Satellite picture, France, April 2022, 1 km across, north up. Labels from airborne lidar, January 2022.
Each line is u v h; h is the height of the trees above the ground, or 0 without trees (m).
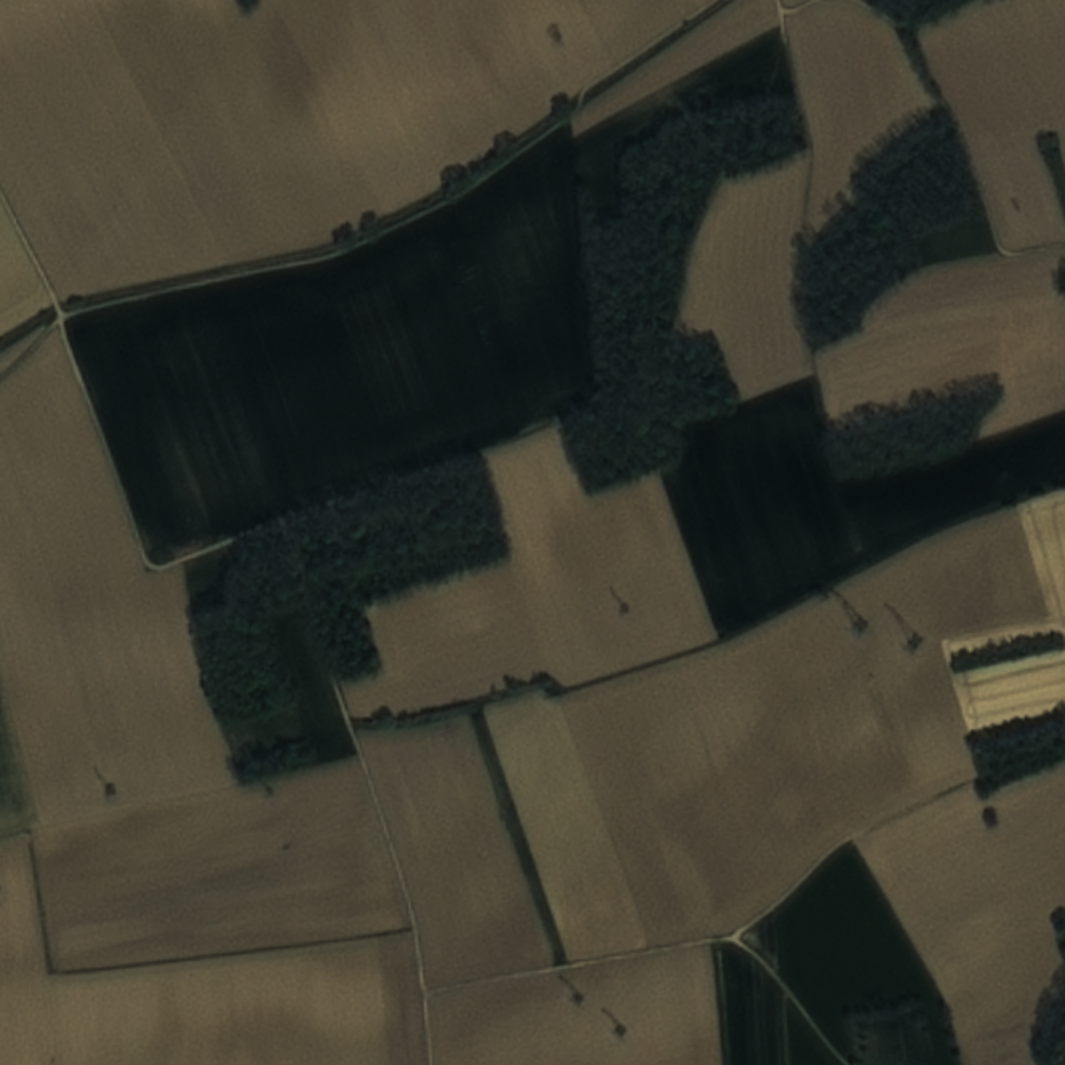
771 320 0
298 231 0
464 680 0
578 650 0
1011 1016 0
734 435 0
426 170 0
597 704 0
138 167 0
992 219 0
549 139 0
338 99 0
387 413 0
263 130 0
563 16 0
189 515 0
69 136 0
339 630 28
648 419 28
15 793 0
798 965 0
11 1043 0
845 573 0
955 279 0
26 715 0
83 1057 0
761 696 0
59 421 0
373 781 0
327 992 0
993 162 0
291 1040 0
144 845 0
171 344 0
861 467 25
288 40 0
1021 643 7
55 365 0
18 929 0
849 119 0
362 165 0
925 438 22
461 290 0
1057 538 0
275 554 26
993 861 0
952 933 0
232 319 0
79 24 0
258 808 0
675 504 0
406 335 0
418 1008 0
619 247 27
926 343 0
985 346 0
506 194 0
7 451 0
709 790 0
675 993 0
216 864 0
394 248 0
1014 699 0
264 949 0
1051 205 0
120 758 0
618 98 0
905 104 0
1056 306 0
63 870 0
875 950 0
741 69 0
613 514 0
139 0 0
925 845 0
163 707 0
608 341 20
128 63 0
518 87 0
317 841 0
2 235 0
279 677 28
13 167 0
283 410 0
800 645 0
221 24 0
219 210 0
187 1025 0
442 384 0
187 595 0
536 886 0
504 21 0
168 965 0
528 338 0
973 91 0
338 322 0
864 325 16
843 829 0
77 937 0
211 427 0
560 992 0
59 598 0
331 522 24
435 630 0
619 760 0
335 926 0
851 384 0
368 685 0
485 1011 0
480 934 0
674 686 0
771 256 0
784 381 0
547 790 0
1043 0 0
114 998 0
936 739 0
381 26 0
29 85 0
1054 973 0
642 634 0
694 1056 0
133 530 0
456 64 0
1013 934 0
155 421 0
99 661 0
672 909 0
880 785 0
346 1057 0
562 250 0
